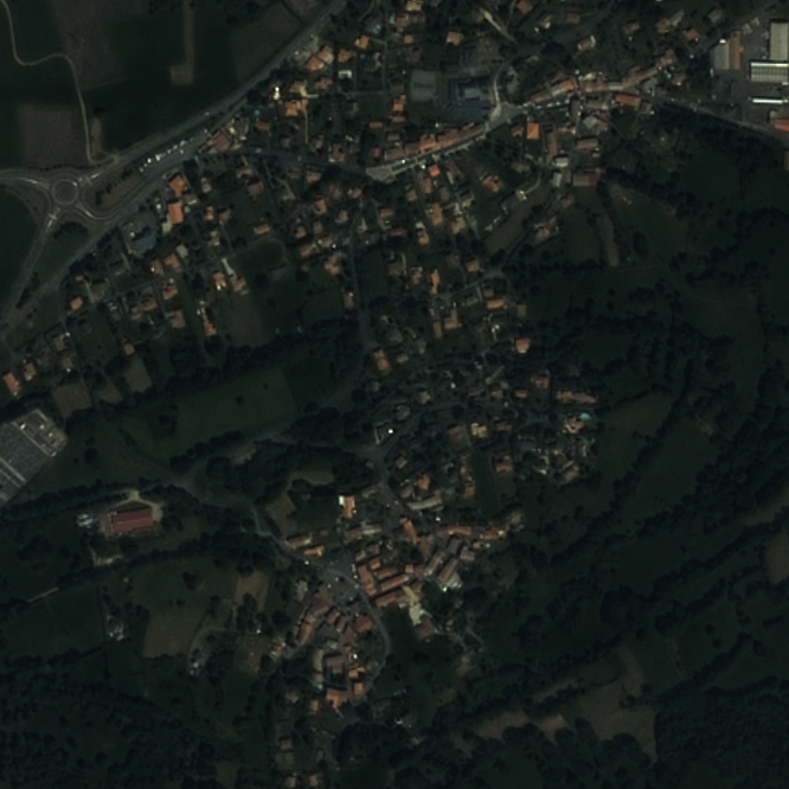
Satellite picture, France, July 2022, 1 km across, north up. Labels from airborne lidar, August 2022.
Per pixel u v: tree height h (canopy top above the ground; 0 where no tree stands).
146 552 0
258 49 0
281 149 7
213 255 0
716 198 0
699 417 8
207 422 0
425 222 0
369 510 8
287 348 25
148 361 20
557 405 15
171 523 14
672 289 0
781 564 0
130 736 16
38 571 13
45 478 0
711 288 0
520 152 6
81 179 0
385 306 19
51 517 17
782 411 23
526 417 14
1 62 0
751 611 0
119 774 17
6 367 0
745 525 0
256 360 20
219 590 0
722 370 18
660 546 0
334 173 16
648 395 9
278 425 0
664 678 0
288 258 0
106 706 17
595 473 6
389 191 14
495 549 0
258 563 17
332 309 0
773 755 17
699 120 14
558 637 0
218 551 17
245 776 10
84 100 0
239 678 0
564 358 17
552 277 11
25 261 0
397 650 0
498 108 0
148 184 0
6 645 18
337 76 10
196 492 0
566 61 18
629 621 19
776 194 0
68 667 18
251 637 0
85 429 18
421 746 8
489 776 0
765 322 12
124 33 0
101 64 0
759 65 0
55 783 11
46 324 0
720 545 0
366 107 0
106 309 18
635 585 0
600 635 0
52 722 0
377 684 7
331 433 20
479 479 0
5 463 0
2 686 11
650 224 0
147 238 0
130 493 0
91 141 0
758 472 25
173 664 14
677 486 0
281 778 8
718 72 0
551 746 18
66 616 0
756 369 0
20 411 17
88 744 0
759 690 15
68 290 7
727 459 15
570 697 15
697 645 0
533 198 0
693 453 0
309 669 8
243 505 0
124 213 0
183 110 0
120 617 16
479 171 0
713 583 0
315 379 0
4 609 13
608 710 0
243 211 0
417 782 21
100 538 17
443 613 7
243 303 0
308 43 0
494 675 14
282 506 0
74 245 0
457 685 0
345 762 16
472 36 8
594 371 20
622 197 0
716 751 13
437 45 10
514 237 0
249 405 0
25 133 0
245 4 9
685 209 9
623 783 14
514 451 8
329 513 0
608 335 16
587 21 0
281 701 14
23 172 0
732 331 0
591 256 0
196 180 21
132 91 0
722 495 24
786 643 0
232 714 0
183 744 21
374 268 0
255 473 11
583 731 19
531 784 0
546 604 0
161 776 19
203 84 0
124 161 0
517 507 11
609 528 19
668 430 17
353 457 9
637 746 23
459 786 17
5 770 16
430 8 16
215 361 0
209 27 0
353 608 0
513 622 0
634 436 7
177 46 0
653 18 12
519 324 17
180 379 17
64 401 0
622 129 0
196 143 0
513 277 16
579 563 7
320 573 0
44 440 0
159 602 0
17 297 0
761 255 0
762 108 0
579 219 0
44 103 0
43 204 0
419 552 10
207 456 17
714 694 14
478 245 16
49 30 0
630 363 17
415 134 11
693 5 0
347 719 13
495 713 18
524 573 9
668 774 18
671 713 17
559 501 0
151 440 0
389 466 9
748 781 10
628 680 0
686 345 23
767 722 17
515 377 12
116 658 0
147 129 0
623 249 8
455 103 0
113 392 0
